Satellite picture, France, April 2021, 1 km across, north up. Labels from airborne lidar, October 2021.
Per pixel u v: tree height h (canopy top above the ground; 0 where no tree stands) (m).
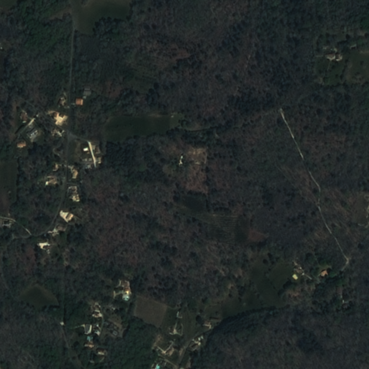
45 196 6
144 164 17
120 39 22
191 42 9
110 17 0
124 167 17
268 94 6
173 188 17
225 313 0
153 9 9
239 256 14
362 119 19
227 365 13
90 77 16
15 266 12
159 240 16
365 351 17
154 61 10
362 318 16
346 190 19
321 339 15
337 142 8
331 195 16
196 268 11
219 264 17
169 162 9
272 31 27
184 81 12
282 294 17
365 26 22
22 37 26
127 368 24
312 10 11
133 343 21
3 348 23
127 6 0
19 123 0
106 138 0
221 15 13
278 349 12
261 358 20
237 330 24
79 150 0
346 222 16
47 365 14
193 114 8
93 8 0
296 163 16
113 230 11
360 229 17
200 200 11
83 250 15
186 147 11
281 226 9
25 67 19
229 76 10
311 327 15
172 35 8
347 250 11
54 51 22
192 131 16
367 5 13
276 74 18
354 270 20
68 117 0
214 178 14
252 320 25
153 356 20
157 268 9
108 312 11
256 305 0
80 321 23
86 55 17
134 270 15
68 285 14
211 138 20
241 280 19
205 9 16
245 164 18
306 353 30
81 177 14
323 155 11
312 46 19
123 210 20
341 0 12
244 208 8
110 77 20
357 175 17
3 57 0
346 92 22
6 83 13
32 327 23
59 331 24
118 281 19
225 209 10
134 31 21
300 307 17
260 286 0
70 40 18
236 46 32
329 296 20
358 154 17
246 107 14
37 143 0
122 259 11
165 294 18
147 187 17
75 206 8
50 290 22
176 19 17
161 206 9
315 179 14
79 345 16
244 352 19
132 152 25
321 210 18
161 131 0
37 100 7
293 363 21
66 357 21
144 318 0
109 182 18
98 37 18
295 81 20
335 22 17
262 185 12
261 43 8
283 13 13
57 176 12
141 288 17
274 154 21
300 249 20
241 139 8
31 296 0
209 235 15
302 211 11
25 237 15
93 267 16
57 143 15
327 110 13
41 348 24
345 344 16
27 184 19
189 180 9
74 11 0
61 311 18
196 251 20
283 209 10
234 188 10
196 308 10
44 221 21
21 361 20
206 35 7
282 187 12
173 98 9
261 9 19
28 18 19
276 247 13
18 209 19
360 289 12
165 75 17
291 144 17
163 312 0
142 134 0
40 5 31
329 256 14
